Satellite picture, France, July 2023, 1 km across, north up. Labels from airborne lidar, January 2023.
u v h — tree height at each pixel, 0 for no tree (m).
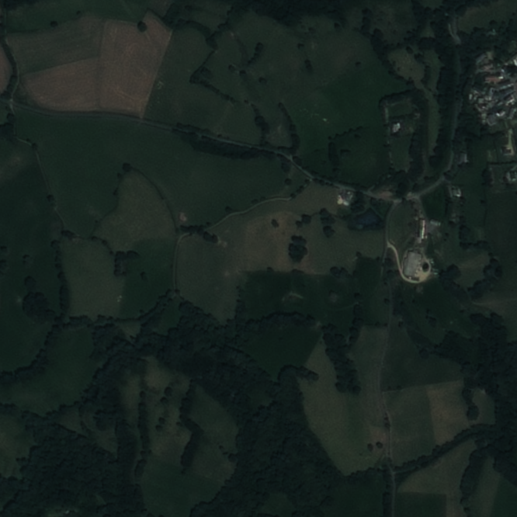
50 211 0
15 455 0
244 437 13
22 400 0
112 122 0
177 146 0
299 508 18
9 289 0
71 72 0
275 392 21
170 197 0
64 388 0
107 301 0
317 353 0
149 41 0
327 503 21
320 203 0
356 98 0
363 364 0
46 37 0
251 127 0
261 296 0
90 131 0
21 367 0
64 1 0
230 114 0
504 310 0
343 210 0
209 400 0
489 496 0
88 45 0
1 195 0
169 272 0
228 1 19
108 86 0
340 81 0
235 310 0
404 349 0
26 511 19
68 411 16
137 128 0
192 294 0
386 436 0
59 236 0
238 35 0
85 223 0
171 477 0
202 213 0
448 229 0
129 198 0
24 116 0
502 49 9
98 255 0
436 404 0
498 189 0
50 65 0
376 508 0
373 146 0
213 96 0
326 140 0
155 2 0
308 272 0
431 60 0
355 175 0
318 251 0
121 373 15
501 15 0
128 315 0
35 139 0
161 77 0
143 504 14
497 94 9
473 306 0
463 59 9
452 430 0
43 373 15
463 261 0
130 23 0
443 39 11
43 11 0
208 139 12
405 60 0
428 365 0
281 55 0
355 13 0
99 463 17
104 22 0
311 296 0
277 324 24
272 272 13
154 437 0
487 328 27
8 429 0
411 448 0
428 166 0
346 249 0
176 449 0
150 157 0
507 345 19
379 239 0
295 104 0
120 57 0
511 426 17
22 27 0
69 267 0
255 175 0
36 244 0
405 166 0
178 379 0
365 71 0
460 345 0
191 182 0
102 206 0
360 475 14
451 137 0
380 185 10
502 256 0
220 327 8
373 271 0
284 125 0
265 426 24
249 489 16
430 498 0
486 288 19
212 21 0
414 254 0
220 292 0
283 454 16
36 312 17
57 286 0
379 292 0
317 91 0
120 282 0
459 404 0
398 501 0
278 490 21
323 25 0
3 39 14
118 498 15
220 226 0
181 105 0
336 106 0
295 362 0
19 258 0
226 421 0
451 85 12
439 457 6
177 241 0
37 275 0
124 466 13
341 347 9
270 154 12
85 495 22
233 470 0
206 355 25
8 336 0
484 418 0
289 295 0
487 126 7
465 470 0
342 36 0
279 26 0
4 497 22
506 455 17
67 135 0
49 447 18
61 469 22
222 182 0
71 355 0
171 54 0
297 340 0
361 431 0
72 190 0
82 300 0
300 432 21
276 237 0
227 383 27
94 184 0
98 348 18
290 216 0
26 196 0
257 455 26
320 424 0
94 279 0
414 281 0
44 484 20
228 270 0
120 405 9
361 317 14
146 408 13
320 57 0
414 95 17
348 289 0
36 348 0
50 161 0
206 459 0
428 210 0
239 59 0
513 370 15
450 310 0
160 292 0
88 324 14
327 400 0
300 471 24
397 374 0
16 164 0
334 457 0
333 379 0
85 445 24
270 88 0
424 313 0
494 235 0
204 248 0
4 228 0
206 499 0
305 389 0
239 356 23
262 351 0
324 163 9
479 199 0
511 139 0
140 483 12
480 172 0
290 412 20
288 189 0
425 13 10
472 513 16
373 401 0
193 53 0
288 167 20
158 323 13
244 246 0
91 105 0
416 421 0
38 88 0
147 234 0
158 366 0
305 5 14
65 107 0
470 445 0
